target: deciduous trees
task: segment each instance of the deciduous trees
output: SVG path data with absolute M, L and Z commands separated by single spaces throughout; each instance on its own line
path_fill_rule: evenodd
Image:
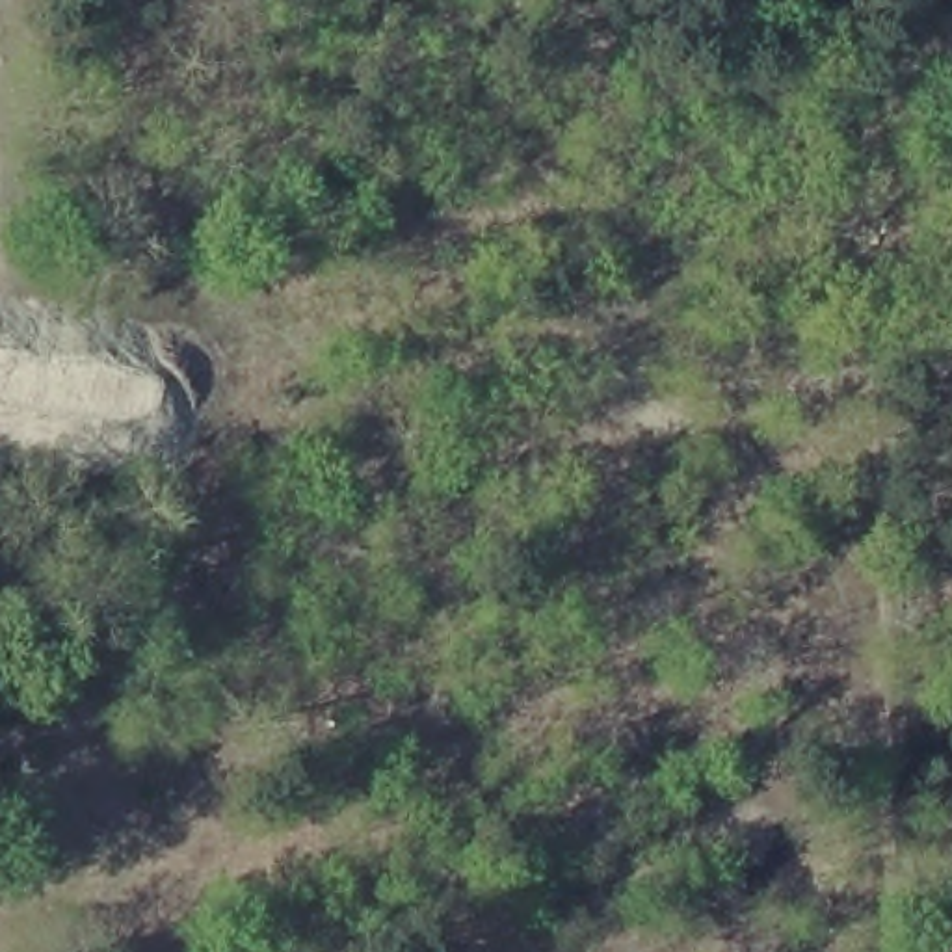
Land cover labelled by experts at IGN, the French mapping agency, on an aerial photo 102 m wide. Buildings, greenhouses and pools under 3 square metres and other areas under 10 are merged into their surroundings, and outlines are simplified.
M 945 896 L 952 896 L 952 855 L 937 848 L 896 844 L 889 818 L 885 811 L 874 818 L 866 814 L 866 807 L 844 811 L 833 822 L 796 818 L 788 829 L 807 866 L 826 889 L 859 889 L 870 893 L 878 904 L 889 893 L 941 889 Z
M 900 703 L 926 710 L 930 721 L 941 725 L 952 740 L 952 580 L 930 580 L 926 591 L 933 614 L 922 614 L 915 628 L 866 628 L 863 636 L 859 662 L 878 692 L 881 699 Z
M 524 852 L 491 852 L 472 840 L 465 848 L 461 878 L 480 896 L 517 889 L 528 881 Z
M 695 792 L 707 785 L 714 785 L 725 800 L 740 792 L 747 785 L 744 751 L 729 740 L 710 736 L 692 751 L 669 751 L 651 777 L 662 788 L 662 800 L 677 811 L 695 811 Z
M 651 662 L 662 692 L 673 703 L 695 703 L 707 681 L 714 677 L 714 651 L 699 643 L 695 628 L 684 617 L 669 617 L 666 625 L 655 625 L 640 636 L 643 658 Z
M 837 952 L 881 952 L 878 911 L 844 926 Z
M 878 450 L 885 454 L 900 446 L 900 435 L 911 428 L 911 420 L 900 420 L 896 413 L 878 413 L 874 405 L 852 398 L 829 409 L 826 420 L 840 428 L 833 461 L 863 461 Z
M 219 681 L 219 673 L 190 643 L 190 636 L 182 625 L 175 625 L 171 617 L 156 621 L 149 647 L 134 658 L 119 703 L 108 707 L 112 744 L 126 759 L 134 759 L 145 747 L 167 747 L 186 755 L 212 740 L 219 747 L 223 781 L 238 766 L 268 770 L 279 755 L 301 747 L 305 718 L 294 707 L 294 677 L 305 666 L 298 636 L 286 628 L 271 647 L 249 647 L 257 658 L 257 673 L 234 673 Z
M 766 729 L 788 707 L 785 662 L 777 658 L 751 673 L 736 692 L 733 718 L 744 729 Z
M 725 532 L 729 550 L 714 573 L 788 569 L 781 562 L 777 543 L 744 513 Z
M 695 428 L 718 428 L 725 420 L 725 398 L 718 394 L 718 387 L 707 383 L 707 372 L 699 364 L 703 346 L 710 342 L 688 327 L 658 327 L 662 350 L 643 368 L 651 383 L 651 402 L 681 398 L 681 420 Z
M 807 420 L 796 398 L 762 398 L 751 405 L 751 431 L 762 443 L 781 446 L 792 435 L 800 435 Z
M 781 926 L 792 937 L 792 945 L 811 941 L 818 915 L 803 904 L 781 904 L 766 889 L 759 896 L 762 904 L 755 907 L 755 915 L 766 926 Z
M 201 907 L 193 919 L 186 919 L 179 933 L 186 941 L 186 952 L 294 952 L 298 937 L 290 937 L 268 915 L 268 896 L 275 885 L 260 870 L 245 878 L 205 881 Z
M 89 915 L 82 926 L 63 930 L 63 952 L 115 952 L 119 945 Z

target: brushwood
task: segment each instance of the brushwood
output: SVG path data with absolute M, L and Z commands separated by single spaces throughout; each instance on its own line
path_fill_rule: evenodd
M 911 814 L 919 777 L 926 774 L 930 759 L 945 759 L 952 766 L 952 740 L 941 725 L 930 721 L 926 710 L 900 703 L 893 710 L 900 755 L 885 811 L 889 818 Z
M 930 580 L 952 580 L 952 350 L 930 350 L 926 361 L 930 405 L 922 409 L 919 472 L 930 498 L 922 543 Z

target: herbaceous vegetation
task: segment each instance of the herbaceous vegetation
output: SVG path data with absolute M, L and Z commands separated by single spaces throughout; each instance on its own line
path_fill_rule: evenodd
M 353 599 L 346 606 L 335 606 L 327 617 L 353 625 L 364 617 L 372 595 L 368 539 L 353 528 L 320 521 L 309 543 L 301 543 L 294 558 L 283 562 L 279 573 L 301 580 L 316 562 L 331 562 L 335 569 L 353 573 Z
M 260 502 L 245 495 L 242 469 L 231 469 L 223 461 L 216 469 L 219 483 L 208 495 L 201 495 L 190 509 L 190 528 L 182 532 L 186 539 L 164 565 L 167 595 L 182 606 L 182 625 L 190 636 L 197 628 L 223 628 L 234 643 L 249 647 L 271 647 L 286 628 L 290 606 L 268 599 L 253 580 L 253 562 L 260 550 Z
M 614 78 L 614 60 L 625 52 L 625 41 L 617 26 L 602 15 L 599 0 L 562 0 L 562 7 L 539 30 L 536 60 L 565 74 L 580 71 L 591 89 L 602 89 Z
M 383 848 L 387 840 L 405 837 L 409 829 L 402 826 L 402 818 L 368 818 L 350 800 L 338 814 L 324 822 L 298 822 L 286 829 L 271 829 L 268 837 L 238 837 L 231 822 L 219 814 L 223 781 L 219 747 L 212 740 L 186 755 L 167 747 L 145 747 L 134 759 L 126 759 L 112 744 L 108 707 L 119 703 L 134 658 L 119 651 L 112 643 L 115 632 L 100 625 L 93 632 L 97 669 L 82 684 L 78 699 L 60 703 L 56 721 L 26 718 L 0 692 L 0 796 L 45 792 L 56 803 L 56 822 L 45 829 L 45 848 L 52 866 L 71 870 L 67 881 L 48 881 L 30 900 L 0 904 L 0 952 L 63 952 L 63 930 L 82 926 L 89 915 L 119 945 L 126 945 L 126 937 L 134 933 L 156 933 L 160 926 L 171 926 L 179 933 L 186 919 L 193 919 L 201 907 L 205 881 L 245 878 L 260 870 L 275 885 L 294 896 L 298 881 L 312 874 L 312 863 L 305 855 L 316 855 L 324 848 L 346 848 L 353 852 L 350 870 L 357 878 L 357 893 L 372 907 L 379 896 L 379 878 L 387 870 Z
M 409 673 L 409 688 L 379 695 L 368 684 L 368 673 L 376 666 L 402 666 Z M 558 643 L 550 666 L 521 677 L 491 714 L 469 721 L 465 714 L 457 714 L 446 692 L 435 688 L 435 677 L 443 669 L 439 640 L 417 632 L 413 625 L 390 625 L 350 666 L 335 666 L 331 692 L 316 692 L 316 681 L 305 666 L 294 677 L 294 707 L 305 718 L 301 747 L 305 774 L 320 788 L 331 788 L 335 796 L 364 796 L 372 774 L 383 766 L 387 751 L 402 736 L 417 736 L 439 755 L 469 755 L 476 762 L 480 747 L 509 725 L 524 699 L 539 699 L 554 688 L 565 688 L 569 681 L 569 651 L 565 643 Z
M 320 238 L 301 216 L 294 216 L 283 234 L 290 249 L 286 268 L 264 279 L 245 301 L 208 298 L 193 275 L 160 275 L 156 283 L 149 283 L 134 309 L 126 309 L 123 320 L 141 331 L 149 331 L 149 324 L 160 320 L 179 320 L 190 327 L 212 324 L 234 331 L 234 342 L 245 346 L 242 368 L 234 372 L 242 390 L 234 394 L 242 420 L 253 424 L 268 428 L 275 443 L 286 443 L 301 431 L 290 424 L 305 417 L 305 409 L 312 409 L 309 398 L 316 398 L 324 387 L 305 387 L 305 402 L 294 402 L 286 398 L 286 387 L 301 383 L 298 361 L 305 346 L 324 338 L 331 327 L 390 331 L 409 320 L 409 312 L 465 301 L 469 283 L 457 271 L 443 271 L 435 260 L 439 242 L 476 245 L 472 231 L 513 223 L 521 216 L 536 216 L 539 231 L 558 234 L 573 219 L 562 208 L 539 212 L 532 197 L 532 190 L 562 160 L 558 145 L 536 123 L 524 123 L 483 78 L 476 78 L 465 89 L 465 97 L 472 108 L 491 115 L 498 134 L 513 138 L 521 152 L 521 171 L 513 182 L 517 197 L 509 205 L 483 205 L 469 208 L 465 219 L 446 219 L 424 193 L 424 186 L 394 182 L 379 201 L 390 208 L 394 227 L 357 231 L 361 245 L 376 253 L 372 260 L 327 260 L 335 245 Z
M 167 56 L 156 45 L 156 33 L 141 19 L 141 7 L 149 0 L 108 0 L 119 19 L 119 82 L 156 89 L 182 119 L 205 115 L 223 86 L 249 82 L 253 63 L 249 56 L 219 48 L 212 60 L 216 78 L 201 82 L 205 93 L 197 104 L 190 104 L 190 97 L 179 89 L 175 71 L 167 71 Z
M 528 781 L 528 774 L 513 762 L 495 785 L 480 777 L 472 785 L 476 803 L 495 811 L 517 785 Z
M 881 257 L 907 257 L 911 249 L 907 208 L 900 201 L 885 201 L 878 212 L 848 208 L 837 216 L 829 238 L 833 253 L 859 271 L 874 268 Z
M 424 30 L 435 30 L 443 37 L 454 33 L 461 41 L 491 48 L 506 30 L 517 30 L 524 19 L 521 7 L 498 4 L 487 26 L 472 26 L 465 4 L 443 7 L 435 0 L 368 0 L 364 15 L 346 15 L 338 26 L 353 33 L 376 33 L 383 15 L 390 7 L 402 7 L 398 37 L 387 45 L 383 56 L 383 78 L 394 89 L 405 89 L 424 74 L 424 56 L 417 52 L 417 37 Z
M 402 524 L 394 539 L 394 558 L 402 573 L 443 610 L 480 602 L 472 588 L 457 584 L 454 576 L 457 550 L 465 547 L 465 539 L 476 536 L 476 502 L 465 502 L 457 495 L 443 506 L 450 532 L 435 550 L 428 550 L 424 543 L 420 521 Z
M 707 383 L 718 387 L 718 394 L 725 398 L 725 420 L 718 428 L 695 428 L 681 420 L 681 398 L 651 402 L 651 383 L 643 368 L 662 350 L 658 327 L 651 320 L 636 320 L 632 312 L 640 301 L 651 301 L 684 264 L 677 260 L 677 249 L 662 234 L 655 234 L 651 219 L 621 216 L 617 208 L 610 208 L 602 227 L 628 275 L 617 294 L 588 286 L 584 294 L 573 294 L 573 316 L 528 320 L 506 312 L 487 338 L 409 335 L 405 357 L 413 364 L 405 372 L 372 368 L 372 379 L 357 394 L 357 420 L 346 428 L 338 443 L 357 457 L 372 457 L 379 469 L 376 480 L 361 491 L 357 506 L 361 517 L 376 521 L 387 495 L 409 483 L 398 431 L 405 428 L 409 398 L 417 394 L 431 364 L 450 364 L 465 372 L 472 387 L 491 387 L 502 379 L 502 368 L 517 372 L 521 357 L 539 357 L 547 350 L 554 350 L 569 368 L 576 368 L 576 376 L 591 376 L 606 357 L 617 361 L 614 387 L 606 387 L 606 394 L 591 405 L 595 424 L 573 420 L 569 431 L 554 431 L 536 446 L 528 439 L 509 435 L 498 439 L 491 454 L 498 469 L 513 472 L 547 469 L 554 457 L 576 454 L 595 472 L 591 513 L 569 517 L 558 528 L 562 558 L 580 576 L 576 591 L 584 595 L 588 614 L 606 632 L 599 677 L 610 677 L 617 684 L 617 695 L 610 703 L 584 710 L 576 740 L 614 747 L 628 777 L 651 777 L 669 751 L 692 751 L 710 736 L 729 740 L 744 751 L 747 785 L 740 792 L 725 800 L 714 785 L 707 785 L 695 792 L 695 811 L 677 811 L 666 822 L 666 837 L 673 844 L 714 833 L 725 837 L 747 866 L 725 889 L 695 889 L 684 904 L 688 930 L 669 945 L 643 941 L 632 930 L 625 930 L 617 893 L 636 874 L 640 855 L 632 848 L 621 848 L 602 878 L 588 878 L 584 870 L 584 852 L 625 818 L 625 807 L 617 807 L 602 792 L 602 785 L 591 781 L 591 774 L 569 777 L 562 792 L 562 811 L 536 807 L 521 818 L 517 837 L 524 840 L 524 852 L 539 848 L 547 855 L 547 881 L 554 889 L 550 911 L 565 919 L 558 933 L 509 933 L 495 919 L 476 911 L 446 933 L 450 952 L 837 952 L 844 926 L 878 911 L 878 904 L 870 893 L 859 889 L 826 889 L 807 866 L 788 829 L 785 822 L 792 818 L 792 811 L 785 800 L 785 777 L 777 770 L 781 751 L 792 744 L 803 718 L 814 707 L 840 721 L 855 710 L 859 699 L 870 699 L 878 692 L 859 662 L 863 636 L 866 628 L 915 628 L 922 614 L 933 614 L 926 591 L 878 599 L 852 562 L 852 547 L 859 547 L 859 539 L 874 528 L 881 513 L 889 480 L 885 454 L 878 450 L 863 461 L 855 498 L 859 506 L 822 536 L 826 547 L 818 562 L 788 569 L 714 573 L 729 550 L 725 532 L 744 513 L 744 506 L 759 495 L 759 483 L 766 476 L 811 472 L 822 461 L 833 461 L 840 428 L 826 420 L 829 409 L 852 398 L 874 405 L 878 387 L 863 379 L 866 361 L 859 350 L 848 350 L 840 357 L 837 379 L 814 379 L 807 376 L 796 331 L 762 335 L 766 361 L 781 372 L 762 390 L 755 390 L 747 383 L 744 364 L 733 364 L 718 350 L 718 342 L 710 342 L 703 346 L 699 364 L 707 372 Z M 762 398 L 796 398 L 807 420 L 800 435 L 792 435 L 781 446 L 762 443 L 751 431 L 751 405 Z M 692 450 L 707 450 L 710 439 L 725 443 L 736 469 L 729 476 L 714 469 L 703 472 L 707 498 L 699 513 L 684 524 L 699 528 L 707 547 L 695 554 L 695 562 L 688 562 L 681 554 L 681 543 L 673 539 L 662 480 L 673 472 L 681 443 L 688 443 Z M 699 643 L 714 651 L 714 677 L 707 681 L 695 703 L 673 703 L 662 692 L 651 662 L 643 658 L 640 636 L 655 625 L 666 625 L 669 617 L 684 617 L 695 628 Z M 766 729 L 744 729 L 733 718 L 736 692 L 751 673 L 777 658 L 785 662 L 788 707 Z M 766 889 L 781 904 L 803 904 L 818 915 L 811 941 L 792 945 L 792 937 L 781 926 L 766 926 L 755 915 L 755 907 L 762 904 L 759 896 Z
M 327 152 L 320 149 L 320 134 L 335 108 L 346 97 L 353 97 L 357 82 L 350 74 L 327 74 L 316 67 L 305 82 L 309 108 L 301 112 L 301 119 L 271 123 L 264 134 L 249 138 L 242 145 L 242 171 L 271 167 L 279 156 L 298 160 L 309 171 L 320 167 Z

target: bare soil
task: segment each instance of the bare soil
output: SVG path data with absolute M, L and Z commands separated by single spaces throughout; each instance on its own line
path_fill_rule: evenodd
M 4 160 L 4 145 L 11 134 L 7 97 L 15 93 L 11 22 L 19 19 L 15 4 L 26 0 L 0 0 L 0 227 L 11 223 L 15 212 L 15 182 Z
M 74 320 L 56 301 L 41 301 L 37 290 L 26 279 L 19 279 L 11 264 L 0 260 L 0 465 L 11 465 L 19 457 L 22 465 L 45 465 L 48 472 L 67 472 L 67 465 L 86 469 L 74 491 L 74 506 L 82 513 L 93 498 L 112 495 L 115 480 L 126 480 L 123 465 L 108 465 L 112 454 L 152 454 L 156 461 L 175 461 L 182 469 L 182 506 L 190 509 L 201 495 L 208 495 L 219 483 L 216 469 L 223 461 L 231 469 L 242 469 L 238 443 L 253 424 L 242 420 L 234 394 L 242 390 L 234 372 L 242 368 L 245 346 L 234 342 L 234 331 L 212 324 L 190 327 L 179 320 L 160 320 L 149 324 L 149 331 L 141 331 L 123 320 Z

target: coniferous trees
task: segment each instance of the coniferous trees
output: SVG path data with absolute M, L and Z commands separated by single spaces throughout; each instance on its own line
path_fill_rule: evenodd
M 249 647 L 234 643 L 223 628 L 197 628 L 190 636 L 190 643 L 219 673 L 219 681 L 234 673 L 257 673 L 257 658 Z
M 930 759 L 926 774 L 919 777 L 911 814 L 889 818 L 896 844 L 937 848 L 952 855 L 952 766 L 945 759 Z
M 900 703 L 881 699 L 878 692 L 870 699 L 859 699 L 855 710 L 840 721 L 814 707 L 803 718 L 792 744 L 781 751 L 777 770 L 785 777 L 785 800 L 792 811 L 792 818 L 785 822 L 788 829 L 796 818 L 833 822 L 844 811 L 866 807 L 866 814 L 874 818 L 885 811 L 900 755 L 893 710 Z
M 11 465 L 0 465 L 0 692 L 26 718 L 56 721 L 60 703 L 78 699 L 82 684 L 97 669 L 93 632 L 100 625 L 115 632 L 112 643 L 119 651 L 134 658 L 149 647 L 156 621 L 171 617 L 175 625 L 182 625 L 182 606 L 167 595 L 164 565 L 186 539 L 182 532 L 190 528 L 190 509 L 182 506 L 182 469 L 175 461 L 156 461 L 152 454 L 112 454 L 108 465 L 123 465 L 126 480 L 115 480 L 112 495 L 93 498 L 82 513 L 74 506 L 74 491 L 86 469 L 67 465 L 67 472 L 48 472 L 45 465 L 22 465 L 19 457 Z
M 48 881 L 67 881 L 71 870 L 52 866 L 45 848 L 45 829 L 56 822 L 56 803 L 45 792 L 0 796 L 0 904 L 30 900 Z
M 945 896 L 941 889 L 889 893 L 878 904 L 878 911 L 881 952 L 952 952 L 952 896 Z
M 673 539 L 681 543 L 681 554 L 688 562 L 695 562 L 695 554 L 707 547 L 699 528 L 684 524 L 699 513 L 707 498 L 703 472 L 714 469 L 729 476 L 736 469 L 725 443 L 710 439 L 707 450 L 692 450 L 688 443 L 681 443 L 673 472 L 662 480 Z
M 781 562 L 788 569 L 818 562 L 826 547 L 822 536 L 859 506 L 855 498 L 863 461 L 833 461 L 822 461 L 811 472 L 766 476 L 759 483 L 759 495 L 744 506 L 744 513 L 777 543 Z
M 126 945 L 119 945 L 115 952 L 186 952 L 186 941 L 179 933 L 171 926 L 160 926 L 156 933 L 134 933 L 126 937 Z
M 409 688 L 409 673 L 402 666 L 376 666 L 368 673 L 368 684 L 379 695 Z
M 275 443 L 268 428 L 253 424 L 238 443 L 242 469 L 245 495 L 260 502 L 260 550 L 253 562 L 253 580 L 268 599 L 290 606 L 286 628 L 298 636 L 305 666 L 316 681 L 316 692 L 331 692 L 335 666 L 350 666 L 390 625 L 413 625 L 417 632 L 439 640 L 443 669 L 435 677 L 435 688 L 446 692 L 457 714 L 465 714 L 469 721 L 491 714 L 521 677 L 550 666 L 558 643 L 565 643 L 569 651 L 569 681 L 565 688 L 554 688 L 539 699 L 524 699 L 509 725 L 480 747 L 476 762 L 469 755 L 439 755 L 417 736 L 402 736 L 387 751 L 383 766 L 372 774 L 364 796 L 335 796 L 331 788 L 320 788 L 305 774 L 301 747 L 279 755 L 268 770 L 238 766 L 223 781 L 219 814 L 231 822 L 238 837 L 268 837 L 271 829 L 286 829 L 298 822 L 324 822 L 338 814 L 350 800 L 368 818 L 402 818 L 402 826 L 409 829 L 405 837 L 387 840 L 383 848 L 387 870 L 379 878 L 379 896 L 372 907 L 357 893 L 357 878 L 350 870 L 353 852 L 346 848 L 324 848 L 316 855 L 305 855 L 312 863 L 312 874 L 298 881 L 294 896 L 275 885 L 268 896 L 268 915 L 290 937 L 298 937 L 294 952 L 450 952 L 446 933 L 476 911 L 495 919 L 509 933 L 558 933 L 565 919 L 550 911 L 554 889 L 547 881 L 547 855 L 539 848 L 524 852 L 524 840 L 517 837 L 521 818 L 536 807 L 562 811 L 562 792 L 569 777 L 591 774 L 591 781 L 602 785 L 602 792 L 617 807 L 625 807 L 625 818 L 584 852 L 584 870 L 588 878 L 602 878 L 621 848 L 632 848 L 640 855 L 636 874 L 617 893 L 625 930 L 632 930 L 643 941 L 669 945 L 688 930 L 684 904 L 695 889 L 725 889 L 747 866 L 725 837 L 714 833 L 673 844 L 666 837 L 666 822 L 677 811 L 662 800 L 662 788 L 651 777 L 628 777 L 614 747 L 576 740 L 584 710 L 610 703 L 617 695 L 617 684 L 610 677 L 599 677 L 606 632 L 588 614 L 584 595 L 576 591 L 580 576 L 562 558 L 558 528 L 569 517 L 591 513 L 595 472 L 576 454 L 554 457 L 547 469 L 513 472 L 498 469 L 491 454 L 498 439 L 509 435 L 528 439 L 536 446 L 554 431 L 569 431 L 573 420 L 595 424 L 591 405 L 606 394 L 606 387 L 614 387 L 617 361 L 606 357 L 591 376 L 576 376 L 576 368 L 569 368 L 554 350 L 547 350 L 539 357 L 521 357 L 517 372 L 502 368 L 502 379 L 491 387 L 472 387 L 465 372 L 450 364 L 431 364 L 417 394 L 409 398 L 405 428 L 398 431 L 409 483 L 387 495 L 376 521 L 361 517 L 357 506 L 361 491 L 376 480 L 379 469 L 372 457 L 357 457 L 338 443 L 346 428 L 357 420 L 357 394 L 372 379 L 372 368 L 405 372 L 413 364 L 405 357 L 409 335 L 487 338 L 506 312 L 528 320 L 573 316 L 573 294 L 584 294 L 588 286 L 617 294 L 628 275 L 602 227 L 610 208 L 617 208 L 621 216 L 651 219 L 655 234 L 662 234 L 677 249 L 677 260 L 684 264 L 651 301 L 640 301 L 632 312 L 636 320 L 651 320 L 658 327 L 688 327 L 710 342 L 718 342 L 718 350 L 733 364 L 744 364 L 747 383 L 755 390 L 762 390 L 781 372 L 766 361 L 762 335 L 796 331 L 807 376 L 814 379 L 837 379 L 840 357 L 848 350 L 859 350 L 866 361 L 863 379 L 878 387 L 874 405 L 878 413 L 896 413 L 900 420 L 911 420 L 911 428 L 900 435 L 900 446 L 885 454 L 889 480 L 881 513 L 874 528 L 859 539 L 859 547 L 852 547 L 852 562 L 878 599 L 926 591 L 930 580 L 922 543 L 930 498 L 919 472 L 922 409 L 930 405 L 926 361 L 930 350 L 952 350 L 952 0 L 599 0 L 602 15 L 617 26 L 625 41 L 625 52 L 614 60 L 614 78 L 602 89 L 591 89 L 580 71 L 565 74 L 536 60 L 539 30 L 562 7 L 562 0 L 435 0 L 443 7 L 465 4 L 472 26 L 487 26 L 498 4 L 521 7 L 524 19 L 517 30 L 506 30 L 491 48 L 461 41 L 454 33 L 443 37 L 435 30 L 424 30 L 417 37 L 417 52 L 424 56 L 424 74 L 405 89 L 394 89 L 383 78 L 383 56 L 387 45 L 398 37 L 402 7 L 390 7 L 383 15 L 376 33 L 353 33 L 338 26 L 346 15 L 364 15 L 368 0 L 149 0 L 141 7 L 141 19 L 156 33 L 156 45 L 167 56 L 167 71 L 175 71 L 179 89 L 190 97 L 190 104 L 197 104 L 205 93 L 201 82 L 216 78 L 212 60 L 219 48 L 249 56 L 253 63 L 249 82 L 223 86 L 205 115 L 182 119 L 156 89 L 119 82 L 119 19 L 108 0 L 26 0 L 15 4 L 19 19 L 11 22 L 15 93 L 7 97 L 11 134 L 4 145 L 4 160 L 15 182 L 15 212 L 11 223 L 0 227 L 0 260 L 11 264 L 19 279 L 26 279 L 37 290 L 41 301 L 56 301 L 74 320 L 123 320 L 126 309 L 134 309 L 149 283 L 156 283 L 160 275 L 193 275 L 208 298 L 245 301 L 264 279 L 286 268 L 290 249 L 283 234 L 294 216 L 301 216 L 320 238 L 335 245 L 327 260 L 372 260 L 376 253 L 361 245 L 357 231 L 394 227 L 390 208 L 379 201 L 394 182 L 424 186 L 424 193 L 446 219 L 465 219 L 469 208 L 483 205 L 509 205 L 517 197 L 513 182 L 521 171 L 521 152 L 513 138 L 498 134 L 491 115 L 472 108 L 465 97 L 465 89 L 476 78 L 483 78 L 524 123 L 536 123 L 558 145 L 562 160 L 532 190 L 532 197 L 539 212 L 562 208 L 573 219 L 558 234 L 539 231 L 536 216 L 521 216 L 513 223 L 472 231 L 476 245 L 439 242 L 435 260 L 443 271 L 457 271 L 469 283 L 465 301 L 409 312 L 409 320 L 390 331 L 331 327 L 324 338 L 305 346 L 298 361 L 301 383 L 286 387 L 286 398 L 294 402 L 305 402 L 305 387 L 324 387 L 316 398 L 309 398 L 312 409 L 305 409 L 305 417 L 290 424 L 301 431 L 286 443 Z M 301 112 L 309 108 L 305 82 L 316 67 L 327 74 L 350 74 L 357 82 L 353 97 L 346 97 L 335 108 L 320 134 L 320 149 L 327 152 L 320 167 L 309 171 L 298 160 L 279 156 L 271 167 L 242 171 L 242 145 L 249 138 L 264 134 L 271 123 L 301 119 Z M 848 208 L 878 212 L 885 201 L 900 201 L 907 208 L 911 249 L 907 257 L 881 257 L 874 268 L 859 271 L 833 253 L 829 238 L 837 216 Z M 465 547 L 457 550 L 454 576 L 457 584 L 472 588 L 480 602 L 443 610 L 402 573 L 394 558 L 394 539 L 402 524 L 420 521 L 424 543 L 428 550 L 435 550 L 450 532 L 443 506 L 457 495 L 465 502 L 476 502 L 476 536 L 465 539 Z M 320 521 L 353 528 L 368 539 L 372 595 L 364 617 L 353 625 L 327 617 L 335 606 L 346 606 L 353 599 L 353 573 L 335 569 L 331 562 L 316 562 L 301 580 L 279 573 L 283 562 L 294 558 L 301 543 L 309 543 Z M 513 762 L 528 774 L 528 781 L 517 785 L 495 811 L 476 803 L 472 785 L 480 777 L 495 785 Z M 491 852 L 524 852 L 528 881 L 517 889 L 480 896 L 461 878 L 465 848 L 472 840 Z

